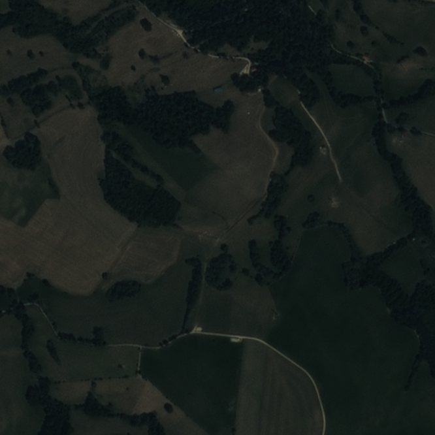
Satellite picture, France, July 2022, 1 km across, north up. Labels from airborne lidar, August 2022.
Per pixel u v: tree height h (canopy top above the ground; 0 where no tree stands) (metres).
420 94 17
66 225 0
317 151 0
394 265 0
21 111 0
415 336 0
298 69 24
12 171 0
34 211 0
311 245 0
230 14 25
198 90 0
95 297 0
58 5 0
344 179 0
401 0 0
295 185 0
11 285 0
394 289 8
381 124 14
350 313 0
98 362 0
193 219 0
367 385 0
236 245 0
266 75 14
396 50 0
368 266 7
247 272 15
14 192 0
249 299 0
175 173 0
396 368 0
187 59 12
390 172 0
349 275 21
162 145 17
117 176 17
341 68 0
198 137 0
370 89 0
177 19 12
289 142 15
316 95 20
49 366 0
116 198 14
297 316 0
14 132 0
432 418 0
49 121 0
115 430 0
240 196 0
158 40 0
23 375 0
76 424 0
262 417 0
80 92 0
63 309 0
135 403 0
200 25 12
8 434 0
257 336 0
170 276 0
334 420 0
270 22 23
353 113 0
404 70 0
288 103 0
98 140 0
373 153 0
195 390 0
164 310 0
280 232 6
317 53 24
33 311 0
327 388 0
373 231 0
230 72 0
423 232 19
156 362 0
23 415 0
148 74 0
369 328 0
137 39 0
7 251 0
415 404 0
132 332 0
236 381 0
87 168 0
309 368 0
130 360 0
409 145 0
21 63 0
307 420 0
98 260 0
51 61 0
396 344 0
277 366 0
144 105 11
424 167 0
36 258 0
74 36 21
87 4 0
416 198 21
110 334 0
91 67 0
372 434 0
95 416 7
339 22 0
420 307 15
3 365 0
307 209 0
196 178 0
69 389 0
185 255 0
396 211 0
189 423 0
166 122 17
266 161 0
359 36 0
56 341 0
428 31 0
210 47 18
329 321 0
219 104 0
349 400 0
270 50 16
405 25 0
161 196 13
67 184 0
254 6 6
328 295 0
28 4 23
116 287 12
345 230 17
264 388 0
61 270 0
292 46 19
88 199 0
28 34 14
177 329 0
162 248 0
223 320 0
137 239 0
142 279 0
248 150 0
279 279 7
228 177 0
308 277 0
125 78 0
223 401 0
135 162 20
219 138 0
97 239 0
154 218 7
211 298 0
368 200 0
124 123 13
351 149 0
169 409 17
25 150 20
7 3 0
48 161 0
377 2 0
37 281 0
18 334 0
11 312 17
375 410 0
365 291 0
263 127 0
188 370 0
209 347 0
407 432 0
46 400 16
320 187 0
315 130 0
